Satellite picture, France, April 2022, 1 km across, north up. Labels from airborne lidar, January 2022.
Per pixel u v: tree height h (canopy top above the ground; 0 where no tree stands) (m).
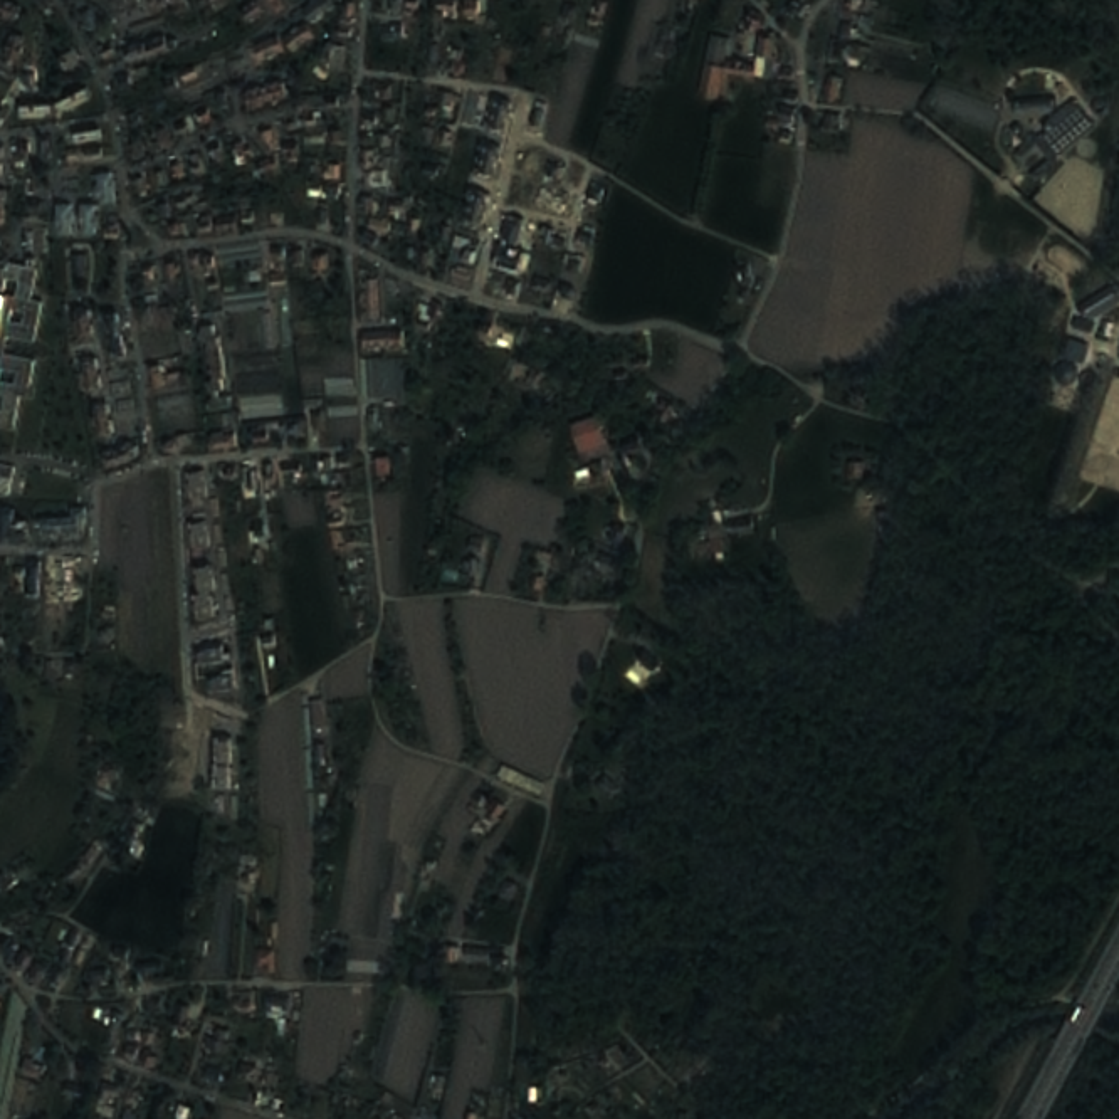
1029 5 21
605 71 0
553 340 7
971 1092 24
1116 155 0
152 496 0
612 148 0
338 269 8
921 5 0
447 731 0
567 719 0
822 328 0
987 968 23
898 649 28
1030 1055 0
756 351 0
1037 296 24
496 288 0
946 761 28
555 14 0
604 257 0
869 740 27
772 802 19
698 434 19
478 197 0
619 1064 0
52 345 0
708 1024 24
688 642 17
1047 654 28
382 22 0
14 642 9
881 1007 22
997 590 23
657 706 27
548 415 10
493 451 7
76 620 9
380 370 0
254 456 0
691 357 0
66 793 0
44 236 0
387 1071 0
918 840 26
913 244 0
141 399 0
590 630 0
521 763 0
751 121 0
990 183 0
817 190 0
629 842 25
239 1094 0
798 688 29
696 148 0
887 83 0
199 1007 0
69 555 0
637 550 19
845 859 22
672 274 0
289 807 0
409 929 10
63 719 0
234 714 0
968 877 0
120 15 0
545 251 0
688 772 29
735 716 26
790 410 0
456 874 0
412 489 0
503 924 0
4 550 0
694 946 8
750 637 28
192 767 0
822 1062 24
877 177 0
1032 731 29
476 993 0
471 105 0
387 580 0
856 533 0
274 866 0
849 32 0
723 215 0
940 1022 0
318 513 0
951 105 0
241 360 0
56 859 0
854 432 0
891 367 25
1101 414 18
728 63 0
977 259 0
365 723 0
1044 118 0
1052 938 23
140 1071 0
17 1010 0
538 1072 17
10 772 18
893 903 26
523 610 0
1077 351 0
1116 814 27
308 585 0
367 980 0
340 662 0
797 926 27
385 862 0
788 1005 0
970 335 26
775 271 0
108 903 0
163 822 0
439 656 0
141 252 0
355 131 0
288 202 0
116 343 0
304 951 0
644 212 0
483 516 0
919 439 23
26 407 0
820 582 0
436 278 13
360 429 0
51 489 0
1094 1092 12
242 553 0
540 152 0
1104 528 21
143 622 0
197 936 10
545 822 0
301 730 0
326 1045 0
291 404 0
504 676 0
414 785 0
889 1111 8
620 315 0
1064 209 0
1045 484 0
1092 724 21
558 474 0
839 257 0
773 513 0
